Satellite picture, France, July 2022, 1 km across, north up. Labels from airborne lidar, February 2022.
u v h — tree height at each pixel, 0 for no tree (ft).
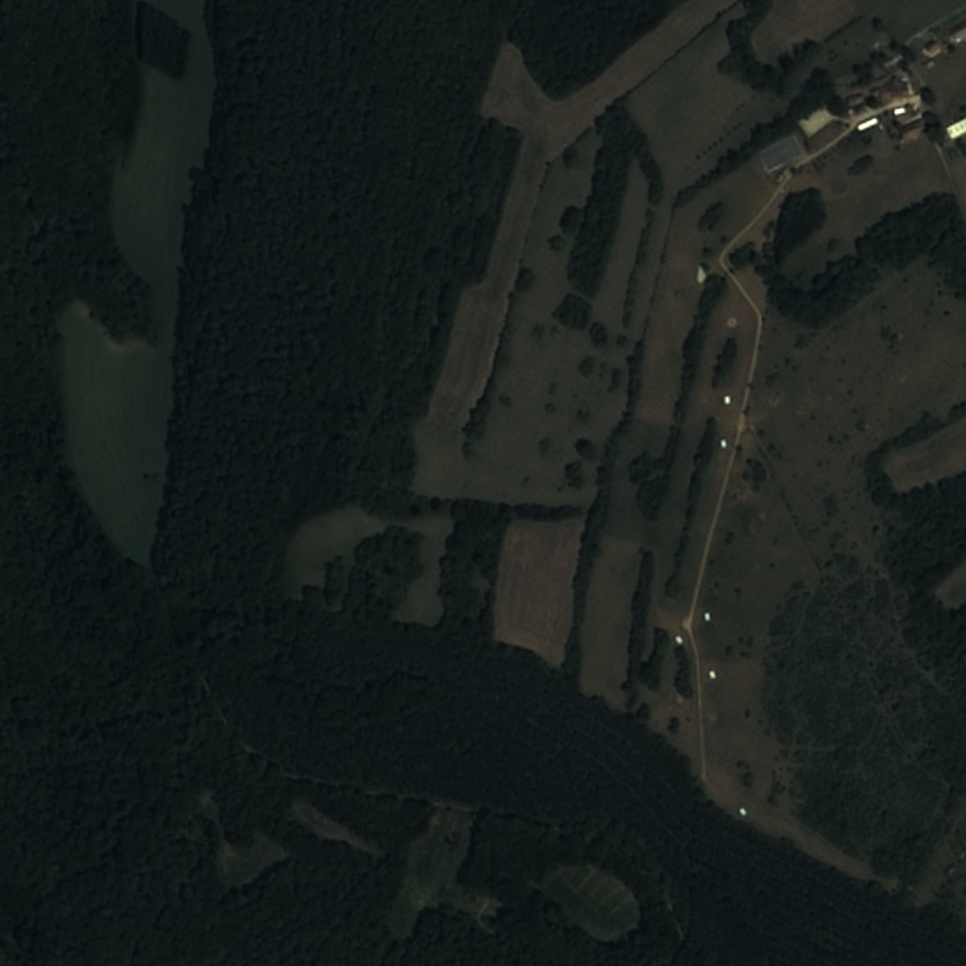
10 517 66
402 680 71
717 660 0
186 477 78
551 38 50
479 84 41
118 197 0
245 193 67
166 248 0
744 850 33
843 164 0
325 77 61
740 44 47
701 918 38
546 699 37
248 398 65
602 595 0
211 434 83
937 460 0
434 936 28
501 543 20
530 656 39
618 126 35
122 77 62
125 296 79
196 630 29
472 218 20
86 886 86
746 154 24
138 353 0
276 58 65
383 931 50
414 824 60
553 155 0
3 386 77
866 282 20
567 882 0
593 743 36
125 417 0
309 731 36
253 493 73
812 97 70
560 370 0
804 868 39
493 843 63
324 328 66
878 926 40
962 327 0
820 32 0
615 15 55
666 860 40
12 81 79
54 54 84
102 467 0
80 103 89
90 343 0
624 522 0
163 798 84
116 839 71
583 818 33
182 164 0
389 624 39
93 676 64
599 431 0
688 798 41
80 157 78
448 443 0
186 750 71
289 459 69
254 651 84
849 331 0
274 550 62
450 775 45
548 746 36
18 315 90
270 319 61
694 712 0
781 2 0
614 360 0
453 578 42
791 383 0
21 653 72
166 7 0
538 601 0
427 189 36
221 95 27
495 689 34
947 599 0
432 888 0
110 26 83
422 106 60
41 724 77
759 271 24
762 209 0
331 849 56
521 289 31
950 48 20
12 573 89
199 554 63
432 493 0
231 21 84
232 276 75
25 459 26
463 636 35
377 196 49
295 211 67
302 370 61
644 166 27
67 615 68
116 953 76
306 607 31
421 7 37
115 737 65
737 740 0
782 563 0
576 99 0
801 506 0
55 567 60
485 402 31
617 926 0
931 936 31
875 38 0
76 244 93
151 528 0
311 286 37
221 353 74
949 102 0
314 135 61
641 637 27
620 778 43
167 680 29
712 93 0
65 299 72
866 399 0
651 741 30
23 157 72
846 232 0
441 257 51
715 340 0
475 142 32
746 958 36
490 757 43
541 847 68
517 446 0
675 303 0
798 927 40
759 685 0
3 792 58
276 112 69
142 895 64
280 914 57
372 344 51
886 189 0
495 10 40
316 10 61
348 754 41
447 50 38
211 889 63
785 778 0
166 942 65
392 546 47
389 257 43
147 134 0
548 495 0
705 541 0
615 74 0
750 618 0
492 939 39
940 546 31
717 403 0
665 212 0
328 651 37
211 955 56
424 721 43
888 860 27
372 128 46
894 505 37
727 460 0
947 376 0
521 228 0
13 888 52
